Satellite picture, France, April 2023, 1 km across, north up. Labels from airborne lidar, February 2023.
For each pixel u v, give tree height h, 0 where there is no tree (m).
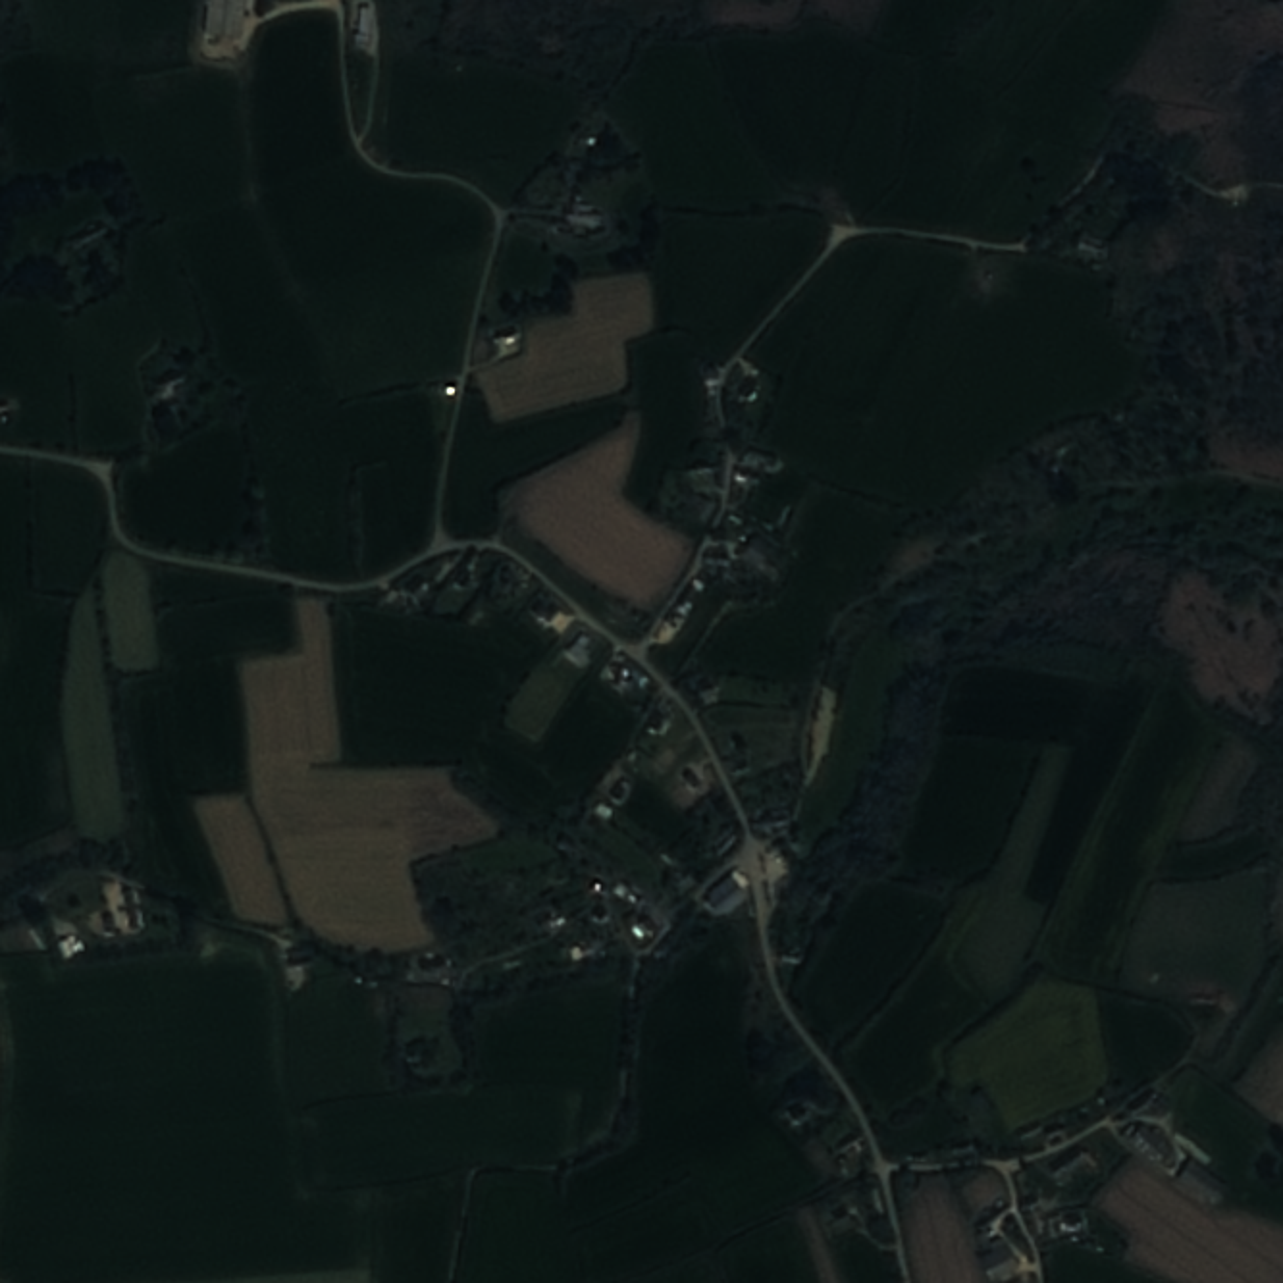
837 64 0
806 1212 0
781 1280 0
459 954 10
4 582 0
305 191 0
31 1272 0
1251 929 0
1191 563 8
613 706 0
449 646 0
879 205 0
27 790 0
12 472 0
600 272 0
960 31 0
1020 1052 0
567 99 0
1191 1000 0
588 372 0
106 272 18
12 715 0
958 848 0
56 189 14
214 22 0
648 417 0
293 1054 0
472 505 0
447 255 0
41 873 7
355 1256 0
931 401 0
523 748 0
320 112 0
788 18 0
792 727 0
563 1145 0
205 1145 0
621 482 0
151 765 0
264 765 0
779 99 0
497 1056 0
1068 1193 0
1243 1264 0
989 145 0
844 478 0
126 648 0
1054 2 0
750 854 0
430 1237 0
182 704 0
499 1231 0
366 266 0
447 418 0
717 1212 0
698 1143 0
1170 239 0
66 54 0
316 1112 0
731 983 0
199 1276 0
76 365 0
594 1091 0
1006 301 0
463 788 6
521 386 0
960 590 9
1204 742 0
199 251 0
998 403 0
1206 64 0
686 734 0
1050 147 0
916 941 0
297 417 0
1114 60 0
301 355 0
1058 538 0
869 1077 0
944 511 9
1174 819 0
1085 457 15
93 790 0
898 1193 7
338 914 0
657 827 0
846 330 0
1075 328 0
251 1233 0
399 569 0
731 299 0
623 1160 0
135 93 0
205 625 0
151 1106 0
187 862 0
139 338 0
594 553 0
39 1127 0
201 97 0
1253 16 0
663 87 0
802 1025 0
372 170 0
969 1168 11
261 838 0
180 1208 0
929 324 0
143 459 8
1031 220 0
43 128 0
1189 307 7
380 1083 0
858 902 0
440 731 0
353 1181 0
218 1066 0
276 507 0
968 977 0
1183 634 0
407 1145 0
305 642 0
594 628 0
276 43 0
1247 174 0
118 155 0
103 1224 0
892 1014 0
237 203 0
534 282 0
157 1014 0
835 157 0
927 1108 8
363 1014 0
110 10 0
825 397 0
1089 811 0
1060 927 0
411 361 0
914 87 0
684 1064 0
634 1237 0
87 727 0
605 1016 0
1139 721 0
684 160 0
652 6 0
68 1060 0
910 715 18
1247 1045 0
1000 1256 0
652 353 0
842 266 0
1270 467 0
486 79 0
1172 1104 0
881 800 18
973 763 0
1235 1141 0
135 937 0
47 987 0
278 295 0
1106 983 0
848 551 0
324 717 0
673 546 0
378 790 0
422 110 0
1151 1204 0
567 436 0
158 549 0
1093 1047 0
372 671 0
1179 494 0
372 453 0
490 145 0
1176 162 7
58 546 0
